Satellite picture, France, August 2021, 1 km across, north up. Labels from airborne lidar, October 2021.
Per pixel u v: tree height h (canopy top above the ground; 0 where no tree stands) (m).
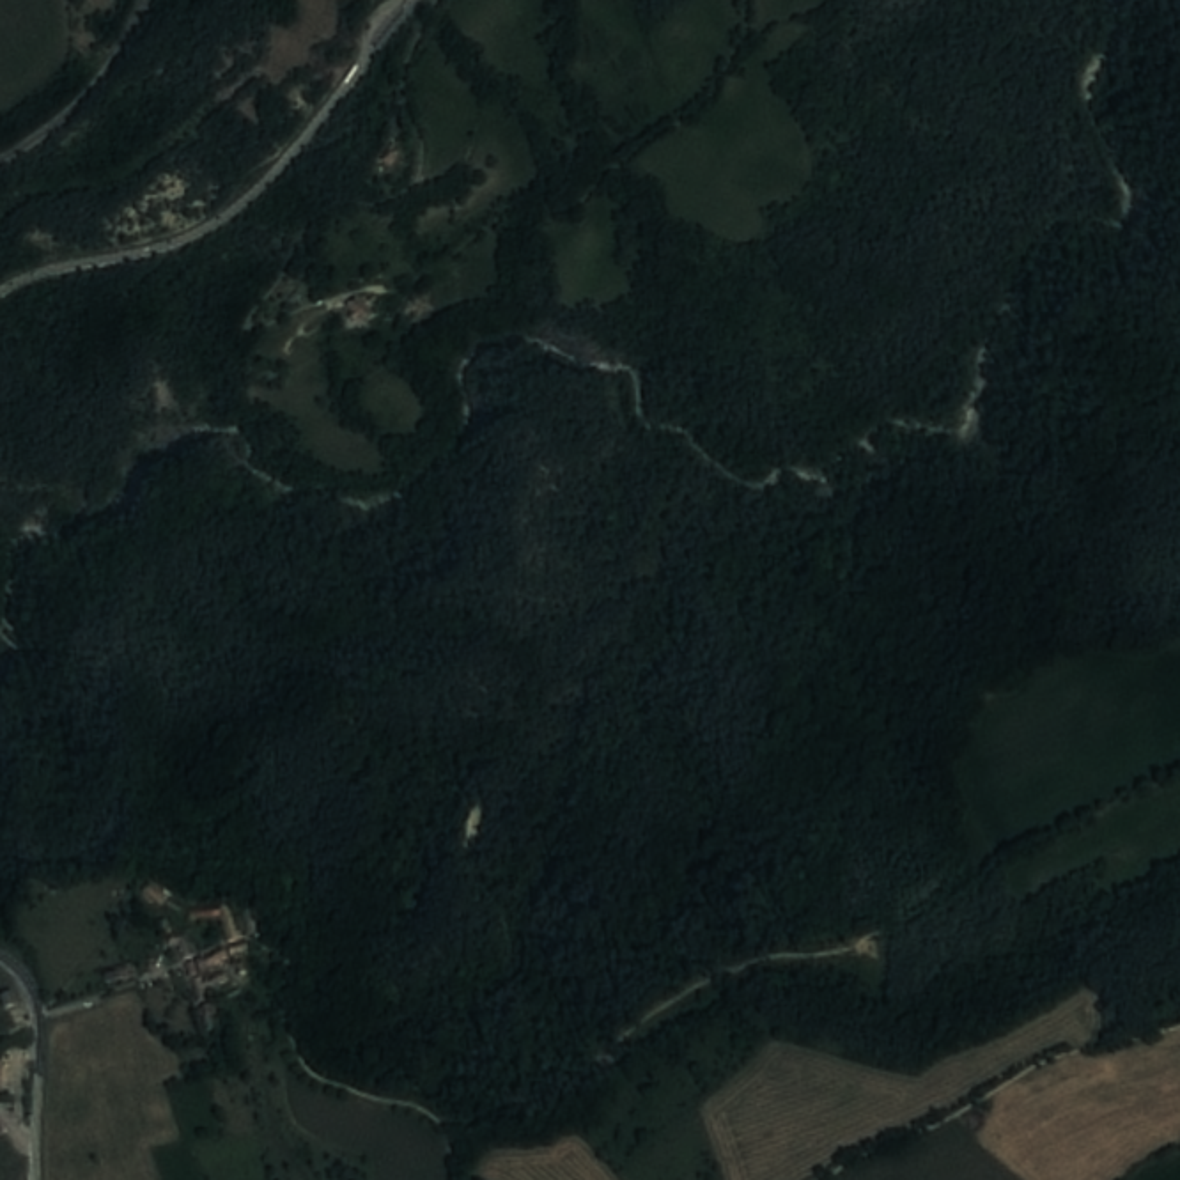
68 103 14
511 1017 25
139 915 10
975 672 23
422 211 10
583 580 9
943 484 16
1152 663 0
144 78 7
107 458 11
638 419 14
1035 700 0
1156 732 0
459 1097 21
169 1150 0
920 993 14
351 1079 10
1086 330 18
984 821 0
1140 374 13
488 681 14
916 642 22
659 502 10
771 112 0
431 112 0
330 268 12
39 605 14
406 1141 0
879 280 15
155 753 14
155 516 11
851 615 27
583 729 23
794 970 11
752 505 15
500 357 8
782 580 10
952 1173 0
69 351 14
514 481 11
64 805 16
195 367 7
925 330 16
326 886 23
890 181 11
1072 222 6
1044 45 14
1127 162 13
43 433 15
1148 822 0
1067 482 17
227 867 26
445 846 19
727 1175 0
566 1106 23
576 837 22
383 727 19
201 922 8
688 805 20
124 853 14
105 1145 0
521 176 0
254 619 20
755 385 10
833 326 8
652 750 16
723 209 0
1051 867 0
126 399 12
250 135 15
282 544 15
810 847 14
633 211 19
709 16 0
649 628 9
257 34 8
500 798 24
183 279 18
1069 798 0
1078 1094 0
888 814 17
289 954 14
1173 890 20
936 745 21
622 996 27
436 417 19
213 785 22
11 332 14
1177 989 9
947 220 10
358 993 33
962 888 14
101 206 12
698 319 11
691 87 0
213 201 10
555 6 16
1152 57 14
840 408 10
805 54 8
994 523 21
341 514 6
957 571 17
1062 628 23
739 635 16
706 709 8
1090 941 28
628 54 0
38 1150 0
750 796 15
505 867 13
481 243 11
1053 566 18
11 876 10
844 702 21
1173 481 12
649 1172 0
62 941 0
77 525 13
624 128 6
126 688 8
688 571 21
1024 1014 15
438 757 22
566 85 17
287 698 25
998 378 23
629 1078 16
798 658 19
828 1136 0
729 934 18
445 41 16
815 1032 19
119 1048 0
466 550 15
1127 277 6
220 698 18
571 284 0
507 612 11
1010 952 8
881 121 6
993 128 11
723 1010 15
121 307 13
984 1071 0
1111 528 15
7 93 0
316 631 25
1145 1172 0
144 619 8
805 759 25
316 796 16
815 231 13
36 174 11
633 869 18
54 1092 0
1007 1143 0
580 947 27
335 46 9
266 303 8
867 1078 0
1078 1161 0
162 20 16
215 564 13
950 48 14
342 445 0
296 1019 20
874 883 17
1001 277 19
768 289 10
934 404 15
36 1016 0
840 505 19
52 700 11
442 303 0
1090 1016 0
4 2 0
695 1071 8
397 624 20
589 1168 0
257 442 15
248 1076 13
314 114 0
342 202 10
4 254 17
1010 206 14
